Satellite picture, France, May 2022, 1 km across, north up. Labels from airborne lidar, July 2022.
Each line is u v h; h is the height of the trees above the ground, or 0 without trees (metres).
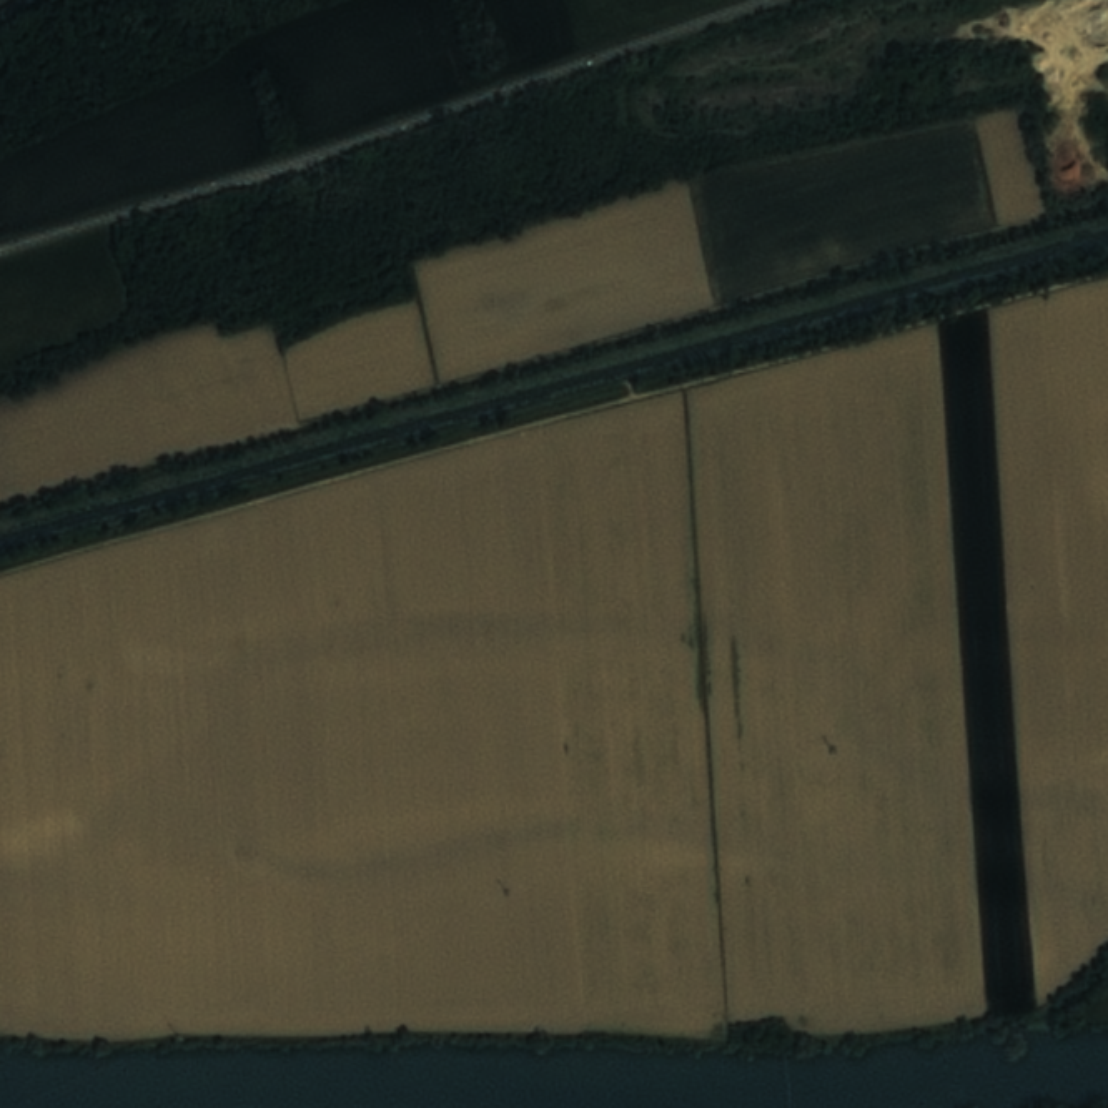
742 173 0
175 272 11
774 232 0
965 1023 11
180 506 19
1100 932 0
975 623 0
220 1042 12
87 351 21
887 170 0
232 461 14
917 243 0
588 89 7
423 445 9
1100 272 20
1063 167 0
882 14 6
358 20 0
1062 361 0
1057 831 0
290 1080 0
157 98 0
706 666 0
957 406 0
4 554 15
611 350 13
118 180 0
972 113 10
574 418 0
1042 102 15
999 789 0
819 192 0
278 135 11
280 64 0
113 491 18
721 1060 0
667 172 12
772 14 8
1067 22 0
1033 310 0
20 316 0
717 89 6
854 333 18
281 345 7
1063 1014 14
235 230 9
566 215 13
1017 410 0
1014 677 0
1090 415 0
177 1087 0
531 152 11
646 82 8
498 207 13
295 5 15
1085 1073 0
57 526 0
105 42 17
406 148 7
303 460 0
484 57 18
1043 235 18
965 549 0
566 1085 0
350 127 0
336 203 13
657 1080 0
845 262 0
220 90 0
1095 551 0
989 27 0
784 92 0
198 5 20
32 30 11
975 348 0
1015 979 0
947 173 0
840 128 9
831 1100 0
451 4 8
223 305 21
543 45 0
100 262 0
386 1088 0
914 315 23
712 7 0
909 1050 0
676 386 14
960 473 0
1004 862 0
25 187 0
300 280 16
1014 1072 0
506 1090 0
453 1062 0
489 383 14
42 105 15
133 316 12
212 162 0
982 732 0
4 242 0
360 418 17
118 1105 0
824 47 12
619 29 0
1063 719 0
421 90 0
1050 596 0
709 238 0
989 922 0
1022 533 0
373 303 8
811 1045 15
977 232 0
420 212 9
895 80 15
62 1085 0
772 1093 0
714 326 14
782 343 17
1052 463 0
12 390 16
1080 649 0
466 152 14
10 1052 11
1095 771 0
